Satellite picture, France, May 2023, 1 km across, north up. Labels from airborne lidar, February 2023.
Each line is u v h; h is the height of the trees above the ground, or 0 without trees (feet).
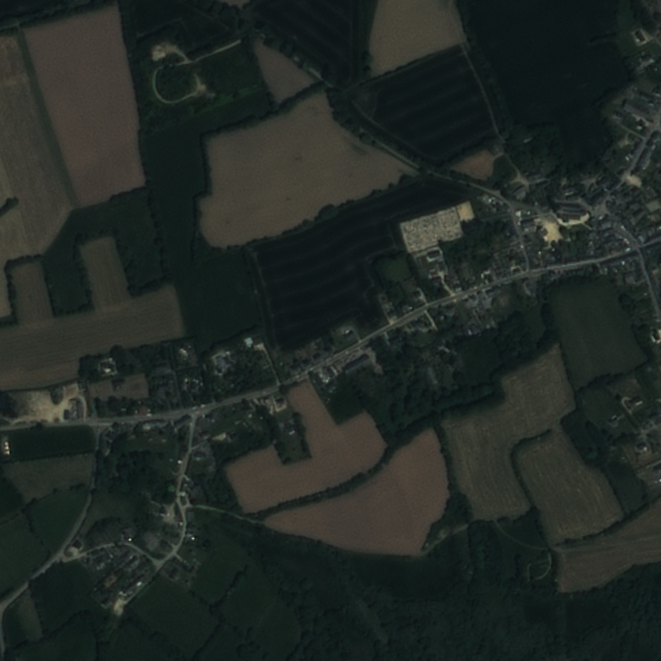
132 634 0
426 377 39
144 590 0
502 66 0
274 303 0
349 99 0
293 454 0
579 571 0
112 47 0
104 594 20
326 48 0
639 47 0
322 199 0
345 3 0
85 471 0
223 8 43
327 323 0
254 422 0
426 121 0
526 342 58
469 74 0
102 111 0
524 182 0
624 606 27
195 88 0
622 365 0
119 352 57
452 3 0
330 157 0
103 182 0
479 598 22
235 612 0
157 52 0
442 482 0
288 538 28
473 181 19
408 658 42
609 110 0
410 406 56
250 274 27
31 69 0
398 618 0
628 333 0
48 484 0
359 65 0
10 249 0
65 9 52
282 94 0
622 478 0
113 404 63
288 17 0
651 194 0
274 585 0
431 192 0
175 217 0
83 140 0
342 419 0
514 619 30
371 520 0
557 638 23
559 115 0
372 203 0
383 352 60
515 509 0
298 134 0
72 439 0
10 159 0
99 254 0
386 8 0
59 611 0
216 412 0
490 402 52
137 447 0
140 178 0
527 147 28
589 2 0
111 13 0
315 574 0
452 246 22
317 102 0
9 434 0
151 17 0
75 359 0
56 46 0
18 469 0
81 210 0
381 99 0
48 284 24
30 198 0
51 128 0
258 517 27
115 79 0
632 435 20
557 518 0
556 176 31
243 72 0
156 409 29
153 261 0
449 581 0
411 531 0
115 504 0
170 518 0
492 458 0
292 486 0
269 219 0
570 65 0
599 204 0
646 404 0
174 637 0
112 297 0
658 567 23
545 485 0
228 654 0
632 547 0
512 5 0
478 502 0
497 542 58
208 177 27
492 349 0
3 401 87
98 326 0
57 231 0
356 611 27
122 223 0
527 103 0
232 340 20
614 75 0
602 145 0
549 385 0
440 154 0
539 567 0
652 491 0
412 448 0
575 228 0
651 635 29
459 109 0
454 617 30
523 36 0
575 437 31
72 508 0
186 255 0
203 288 0
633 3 30
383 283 38
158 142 0
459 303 0
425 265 0
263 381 18
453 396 42
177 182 0
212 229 0
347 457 0
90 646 0
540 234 0
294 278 0
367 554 0
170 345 23
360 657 0
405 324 0
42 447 0
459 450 0
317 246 0
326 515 0
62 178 0
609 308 0
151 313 0
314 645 79
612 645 0
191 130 0
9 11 0
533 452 0
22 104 0
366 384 0
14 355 0
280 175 0
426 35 0
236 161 0
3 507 0
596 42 28
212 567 0
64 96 0
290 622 0
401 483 0
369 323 0
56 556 0
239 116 0
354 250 0
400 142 0
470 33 44
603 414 0
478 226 82
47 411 0
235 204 0
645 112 0
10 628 0
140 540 25
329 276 0
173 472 0
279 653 0
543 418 0
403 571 0
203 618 0
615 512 0
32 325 0
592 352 0
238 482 0
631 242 0
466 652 29
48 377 0
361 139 36
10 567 0
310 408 0
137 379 0
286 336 0
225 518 26
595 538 19
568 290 0
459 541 0
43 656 0
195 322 0
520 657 21
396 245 0
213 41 0
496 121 0
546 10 0
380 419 24
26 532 0
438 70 0
